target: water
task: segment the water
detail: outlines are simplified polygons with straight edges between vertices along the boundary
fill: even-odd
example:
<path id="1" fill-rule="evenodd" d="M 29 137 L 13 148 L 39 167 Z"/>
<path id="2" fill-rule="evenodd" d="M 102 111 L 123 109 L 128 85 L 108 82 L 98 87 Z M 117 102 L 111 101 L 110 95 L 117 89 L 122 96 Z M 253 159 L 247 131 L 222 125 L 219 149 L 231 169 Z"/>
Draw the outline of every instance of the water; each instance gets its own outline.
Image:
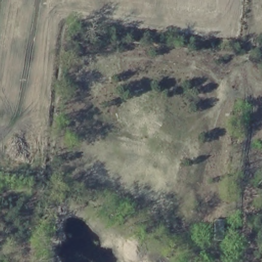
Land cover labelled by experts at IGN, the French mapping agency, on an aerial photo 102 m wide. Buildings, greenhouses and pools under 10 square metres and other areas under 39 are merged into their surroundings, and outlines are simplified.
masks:
<path id="1" fill-rule="evenodd" d="M 65 220 L 62 227 L 65 241 L 51 248 L 53 256 L 50 262 L 117 262 L 113 250 L 101 247 L 100 237 L 89 226 L 82 219 L 72 217 Z"/>

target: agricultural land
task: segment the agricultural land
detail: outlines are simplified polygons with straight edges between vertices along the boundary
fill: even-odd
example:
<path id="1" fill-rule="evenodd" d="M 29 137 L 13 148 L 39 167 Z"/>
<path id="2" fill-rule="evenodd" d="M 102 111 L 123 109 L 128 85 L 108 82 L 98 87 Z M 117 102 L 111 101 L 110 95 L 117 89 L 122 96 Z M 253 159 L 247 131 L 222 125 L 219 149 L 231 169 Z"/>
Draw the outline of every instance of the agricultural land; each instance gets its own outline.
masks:
<path id="1" fill-rule="evenodd" d="M 159 32 L 167 30 L 170 36 L 181 36 L 184 39 L 190 40 L 190 37 L 193 37 L 196 46 L 210 49 L 211 42 L 220 44 L 224 37 L 237 38 L 241 33 L 241 18 L 244 12 L 241 0 L 0 0 L 0 142 L 11 133 L 26 135 L 32 127 L 40 141 L 42 132 L 46 130 L 51 90 L 55 54 L 49 53 L 49 50 L 55 49 L 61 19 L 68 18 L 70 14 L 76 15 L 91 23 L 91 28 L 95 29 L 106 21 L 108 27 L 117 29 L 118 37 L 124 38 L 128 33 L 133 33 L 134 39 L 140 41 L 144 33 L 159 37 Z"/>

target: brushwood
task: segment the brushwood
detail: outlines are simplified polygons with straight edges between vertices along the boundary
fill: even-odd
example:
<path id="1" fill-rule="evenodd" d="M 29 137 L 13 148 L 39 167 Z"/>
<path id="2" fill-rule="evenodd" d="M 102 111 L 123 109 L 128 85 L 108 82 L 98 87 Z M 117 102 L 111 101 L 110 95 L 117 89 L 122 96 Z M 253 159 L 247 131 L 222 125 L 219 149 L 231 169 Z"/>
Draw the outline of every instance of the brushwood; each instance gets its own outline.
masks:
<path id="1" fill-rule="evenodd" d="M 12 198 L 13 206 L 16 206 L 19 198 L 25 199 L 26 202 L 19 213 L 20 221 L 29 222 L 33 219 L 36 204 L 43 198 L 43 193 L 38 191 L 38 194 L 33 193 L 30 196 L 23 191 L 16 192 L 11 191 L 5 198 Z"/>

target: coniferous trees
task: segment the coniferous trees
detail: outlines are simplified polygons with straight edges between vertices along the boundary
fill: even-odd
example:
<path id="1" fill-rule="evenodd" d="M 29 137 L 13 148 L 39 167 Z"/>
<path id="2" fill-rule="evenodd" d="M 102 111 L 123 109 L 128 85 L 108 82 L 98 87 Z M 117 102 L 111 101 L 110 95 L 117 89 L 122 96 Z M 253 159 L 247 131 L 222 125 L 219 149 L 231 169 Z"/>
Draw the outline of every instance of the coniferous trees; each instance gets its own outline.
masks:
<path id="1" fill-rule="evenodd" d="M 207 253 L 207 249 L 211 247 L 213 227 L 198 223 L 192 225 L 191 229 L 194 243 L 201 248 L 201 253 Z"/>
<path id="2" fill-rule="evenodd" d="M 254 217 L 256 242 L 259 247 L 255 255 L 261 262 L 262 262 L 262 214 Z"/>
<path id="3" fill-rule="evenodd" d="M 0 212 L 18 228 L 15 234 L 23 237 L 25 229 L 30 225 L 29 222 L 20 221 L 19 213 L 26 202 L 25 199 L 19 198 L 16 206 L 13 206 L 12 198 L 5 198 L 0 198 Z"/>
<path id="4" fill-rule="evenodd" d="M 234 217 L 227 221 L 226 234 L 220 246 L 221 257 L 223 262 L 242 262 L 245 259 L 247 237 L 235 231 L 235 227 L 242 225 L 242 219 Z"/>

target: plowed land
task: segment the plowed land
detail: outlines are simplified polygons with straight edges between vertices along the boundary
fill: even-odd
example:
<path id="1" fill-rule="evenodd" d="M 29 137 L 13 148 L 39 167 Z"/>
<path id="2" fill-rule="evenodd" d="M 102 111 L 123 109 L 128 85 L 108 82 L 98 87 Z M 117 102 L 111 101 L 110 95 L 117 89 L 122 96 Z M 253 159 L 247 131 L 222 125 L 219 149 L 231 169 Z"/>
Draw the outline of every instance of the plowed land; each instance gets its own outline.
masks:
<path id="1" fill-rule="evenodd" d="M 40 141 L 32 127 L 26 135 L 11 133 L 0 142 L 0 150 L 2 146 L 7 145 L 6 154 L 11 160 L 29 164 L 32 168 L 45 165 L 46 130 L 42 132 Z"/>

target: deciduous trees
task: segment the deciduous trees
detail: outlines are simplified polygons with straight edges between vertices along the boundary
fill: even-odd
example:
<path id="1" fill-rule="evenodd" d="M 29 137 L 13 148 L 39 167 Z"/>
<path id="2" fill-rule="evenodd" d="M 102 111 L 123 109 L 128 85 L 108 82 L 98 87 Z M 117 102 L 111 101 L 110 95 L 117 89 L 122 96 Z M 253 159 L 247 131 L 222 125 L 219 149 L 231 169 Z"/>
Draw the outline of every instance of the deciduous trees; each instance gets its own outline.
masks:
<path id="1" fill-rule="evenodd" d="M 0 175 L 0 198 L 5 198 L 11 191 L 16 192 L 18 186 L 33 189 L 34 178 Z"/>
<path id="2" fill-rule="evenodd" d="M 184 39 L 181 36 L 170 36 L 167 30 L 159 32 L 159 37 L 144 33 L 140 41 L 145 52 L 154 57 L 163 46 L 185 47 Z"/>
<path id="3" fill-rule="evenodd" d="M 145 227 L 138 226 L 135 229 L 136 239 L 140 246 L 144 239 L 148 242 L 156 238 L 161 244 L 170 237 L 172 241 L 161 254 L 169 262 L 223 262 L 221 257 L 214 259 L 207 253 L 201 253 L 201 248 L 194 243 L 191 229 L 185 235 L 169 234 L 168 227 L 161 224 L 154 232 L 147 233 L 145 229 L 152 224 L 149 216 L 144 222 Z"/>
<path id="4" fill-rule="evenodd" d="M 243 171 L 236 170 L 234 173 L 228 173 L 228 177 L 223 178 L 218 184 L 219 196 L 226 208 L 231 208 L 235 204 L 242 192 L 241 185 L 237 183 L 238 178 L 244 176 Z"/>
<path id="5" fill-rule="evenodd" d="M 185 186 L 178 194 L 185 201 L 179 207 L 182 219 L 187 220 L 195 212 L 196 202 L 193 190 Z"/>
<path id="6" fill-rule="evenodd" d="M 65 118 L 64 106 L 69 98 L 76 95 L 78 81 L 69 69 L 71 63 L 75 63 L 79 56 L 80 46 L 85 41 L 91 41 L 95 47 L 111 42 L 113 51 L 124 52 L 125 43 L 131 43 L 134 39 L 133 33 L 128 33 L 124 38 L 118 37 L 117 29 L 108 27 L 106 21 L 95 29 L 91 28 L 91 23 L 76 15 L 70 14 L 68 18 L 61 19 L 55 49 L 49 50 L 49 53 L 55 54 L 51 90 L 55 90 L 56 94 L 52 131 L 63 139 L 65 147 L 74 145 L 79 138 L 70 130 L 70 121 Z"/>
<path id="7" fill-rule="evenodd" d="M 64 196 L 76 201 L 77 207 L 88 202 L 89 206 L 82 219 L 89 226 L 97 217 L 104 225 L 104 229 L 115 226 L 125 224 L 124 215 L 135 207 L 135 203 L 130 204 L 129 198 L 123 199 L 108 189 L 87 189 L 85 183 L 78 182 L 73 173 L 62 179 L 64 164 L 52 167 L 53 174 L 50 178 L 42 186 L 43 193 L 43 198 L 36 204 L 33 219 L 29 222 L 30 225 L 25 229 L 23 237 L 31 243 L 30 262 L 50 262 L 53 256 L 51 248 L 50 237 L 56 231 L 56 226 L 51 224 L 51 218 L 57 218 L 51 208 L 53 204 L 62 203 Z"/>
<path id="8" fill-rule="evenodd" d="M 247 100 L 237 98 L 231 116 L 223 120 L 222 127 L 230 138 L 237 137 L 243 141 L 247 129 L 251 110 L 251 104 Z"/>

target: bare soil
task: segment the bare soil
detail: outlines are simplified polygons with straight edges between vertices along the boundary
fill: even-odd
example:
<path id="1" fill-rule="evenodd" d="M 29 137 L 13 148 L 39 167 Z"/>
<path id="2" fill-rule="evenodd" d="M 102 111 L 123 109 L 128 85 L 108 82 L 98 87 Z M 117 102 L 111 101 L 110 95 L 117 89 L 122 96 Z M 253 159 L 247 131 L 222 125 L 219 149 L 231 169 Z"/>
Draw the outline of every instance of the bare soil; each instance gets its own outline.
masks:
<path id="1" fill-rule="evenodd" d="M 169 262 L 161 254 L 144 251 L 140 246 L 136 239 L 130 241 L 122 237 L 115 226 L 104 229 L 104 225 L 97 217 L 89 226 L 100 237 L 101 247 L 113 250 L 117 262 Z"/>
<path id="2" fill-rule="evenodd" d="M 51 224 L 56 226 L 56 231 L 50 237 L 51 248 L 65 241 L 62 227 L 65 220 L 72 217 L 82 219 L 89 206 L 88 202 L 77 207 L 76 201 L 64 196 L 62 203 L 53 204 L 51 208 L 57 218 L 51 218 Z"/>
<path id="3" fill-rule="evenodd" d="M 247 129 L 243 141 L 242 163 L 236 170 L 243 171 L 244 176 L 238 178 L 237 183 L 241 185 L 242 192 L 235 204 L 237 211 L 234 217 L 242 219 L 246 219 L 248 214 L 244 212 L 246 187 L 256 172 L 262 168 L 262 143 Z"/>

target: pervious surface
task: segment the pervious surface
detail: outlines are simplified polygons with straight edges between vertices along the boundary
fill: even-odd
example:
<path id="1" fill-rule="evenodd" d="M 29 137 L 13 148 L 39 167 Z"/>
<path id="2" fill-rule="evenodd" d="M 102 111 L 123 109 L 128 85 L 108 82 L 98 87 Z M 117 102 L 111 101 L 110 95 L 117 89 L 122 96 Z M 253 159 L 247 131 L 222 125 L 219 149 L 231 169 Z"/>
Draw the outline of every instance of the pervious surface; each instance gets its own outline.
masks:
<path id="1" fill-rule="evenodd" d="M 52 131 L 56 94 L 55 90 L 51 90 L 46 130 L 45 165 L 44 176 L 50 178 L 53 174 L 52 167 Z"/>

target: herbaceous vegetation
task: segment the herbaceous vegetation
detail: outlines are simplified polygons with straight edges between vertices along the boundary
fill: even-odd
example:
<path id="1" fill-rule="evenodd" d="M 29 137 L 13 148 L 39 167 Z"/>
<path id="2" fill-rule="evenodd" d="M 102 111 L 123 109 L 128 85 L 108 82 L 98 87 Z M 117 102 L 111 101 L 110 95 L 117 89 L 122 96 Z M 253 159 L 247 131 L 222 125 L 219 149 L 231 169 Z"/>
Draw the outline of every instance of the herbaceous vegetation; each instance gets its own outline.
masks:
<path id="1" fill-rule="evenodd" d="M 125 43 L 124 52 L 113 51 L 111 42 L 95 47 L 91 41 L 85 41 L 80 46 L 79 56 L 75 63 L 71 63 L 69 69 L 78 81 L 76 95 L 69 98 L 64 106 L 65 118 L 70 121 L 70 130 L 79 138 L 74 145 L 65 147 L 63 139 L 52 131 L 52 167 L 64 164 L 62 179 L 73 173 L 78 182 L 85 183 L 87 189 L 108 189 L 123 199 L 129 198 L 130 204 L 135 203 L 135 207 L 124 215 L 125 224 L 115 226 L 122 237 L 130 241 L 136 239 L 135 229 L 138 226 L 145 227 L 144 222 L 149 216 L 152 224 L 145 229 L 147 233 L 154 232 L 161 224 L 168 227 L 169 234 L 185 235 L 191 229 L 192 225 L 198 223 L 213 227 L 219 217 L 224 217 L 227 221 L 234 217 L 237 211 L 235 204 L 231 208 L 226 208 L 219 196 L 218 184 L 223 178 L 228 177 L 228 173 L 234 173 L 236 170 L 242 163 L 243 141 L 237 137 L 230 138 L 222 127 L 223 120 L 231 116 L 237 98 L 247 100 L 251 104 L 251 110 L 247 129 L 262 143 L 262 0 L 241 0 L 244 12 L 241 18 L 241 33 L 237 38 L 224 37 L 220 44 L 211 42 L 210 49 L 196 46 L 193 37 L 190 37 L 190 40 L 184 39 L 185 47 L 163 46 L 154 57 L 145 52 L 140 41 L 134 39 L 131 43 Z M 179 207 L 185 201 L 178 194 L 185 186 L 193 190 L 196 202 L 195 212 L 187 220 L 182 219 Z"/>
<path id="2" fill-rule="evenodd" d="M 42 186 L 50 178 L 44 176 L 45 165 L 32 168 L 29 164 L 11 160 L 6 154 L 7 145 L 2 146 L 0 150 L 0 175 L 34 178 L 33 189 L 18 186 L 16 192 L 23 191 L 30 196 L 33 193 L 38 194 L 38 191 L 43 193 Z"/>
<path id="3" fill-rule="evenodd" d="M 140 246 L 144 251 L 161 254 L 172 241 L 170 237 L 161 244 L 156 238 L 148 242 L 144 239 Z"/>
<path id="4" fill-rule="evenodd" d="M 262 214 L 262 168 L 256 172 L 246 187 L 244 212 L 248 214 L 246 219 L 242 219 L 242 225 L 235 227 L 235 231 L 247 237 L 245 259 L 242 262 L 261 262 L 255 255 L 259 247 L 256 242 L 254 217 Z"/>
<path id="5" fill-rule="evenodd" d="M 23 237 L 15 234 L 18 228 L 0 212 L 0 262 L 30 262 L 31 243 Z"/>

